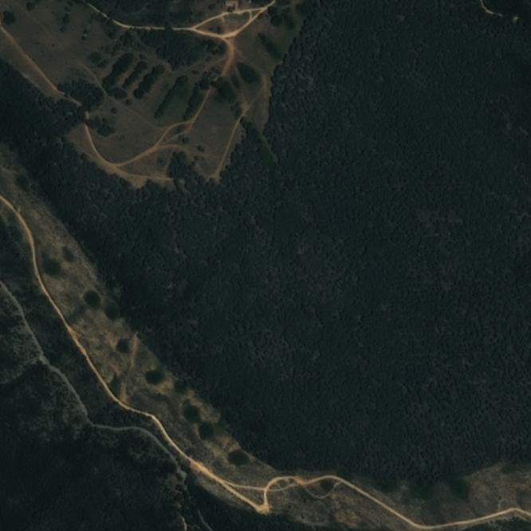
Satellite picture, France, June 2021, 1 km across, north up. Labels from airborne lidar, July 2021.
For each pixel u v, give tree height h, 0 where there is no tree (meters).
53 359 10
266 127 7
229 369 11
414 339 9
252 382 11
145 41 7
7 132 7
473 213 10
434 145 8
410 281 7
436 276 8
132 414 10
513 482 0
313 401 7
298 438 9
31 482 8
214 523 12
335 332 15
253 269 10
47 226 0
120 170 0
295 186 13
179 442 0
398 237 9
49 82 0
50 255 0
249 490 0
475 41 12
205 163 0
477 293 7
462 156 8
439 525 0
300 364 9
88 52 0
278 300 9
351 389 12
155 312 11
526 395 10
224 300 9
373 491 0
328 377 10
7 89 9
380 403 10
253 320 10
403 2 11
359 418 11
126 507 13
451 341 8
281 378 11
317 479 0
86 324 0
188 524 9
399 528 0
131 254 7
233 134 0
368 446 14
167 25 8
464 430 9
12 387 8
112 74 11
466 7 11
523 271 10
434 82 7
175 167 9
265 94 0
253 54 0
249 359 12
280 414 9
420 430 7
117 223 12
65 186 6
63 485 11
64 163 10
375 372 11
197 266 10
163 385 0
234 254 13
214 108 0
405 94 9
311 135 11
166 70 0
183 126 0
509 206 10
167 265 12
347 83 11
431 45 8
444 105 7
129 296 11
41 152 8
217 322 11
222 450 0
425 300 6
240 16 0
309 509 0
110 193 9
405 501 0
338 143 11
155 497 9
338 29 8
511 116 8
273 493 0
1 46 0
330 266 10
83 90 13
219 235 11
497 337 12
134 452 7
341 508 0
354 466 10
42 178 9
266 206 16
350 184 10
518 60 11
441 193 10
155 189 8
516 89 8
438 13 9
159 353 6
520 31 15
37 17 0
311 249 12
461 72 10
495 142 8
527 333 8
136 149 0
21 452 9
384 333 9
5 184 0
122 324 0
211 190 13
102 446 9
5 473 9
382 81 6
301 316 13
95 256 6
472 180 7
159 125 0
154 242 13
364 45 9
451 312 8
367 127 10
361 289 11
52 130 13
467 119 9
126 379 0
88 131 0
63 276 0
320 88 7
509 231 8
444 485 0
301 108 8
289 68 10
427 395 11
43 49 0
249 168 11
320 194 9
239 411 9
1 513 10
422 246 10
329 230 13
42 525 11
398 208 11
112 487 12
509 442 9
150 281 14
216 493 0
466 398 10
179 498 11
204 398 6
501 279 6
